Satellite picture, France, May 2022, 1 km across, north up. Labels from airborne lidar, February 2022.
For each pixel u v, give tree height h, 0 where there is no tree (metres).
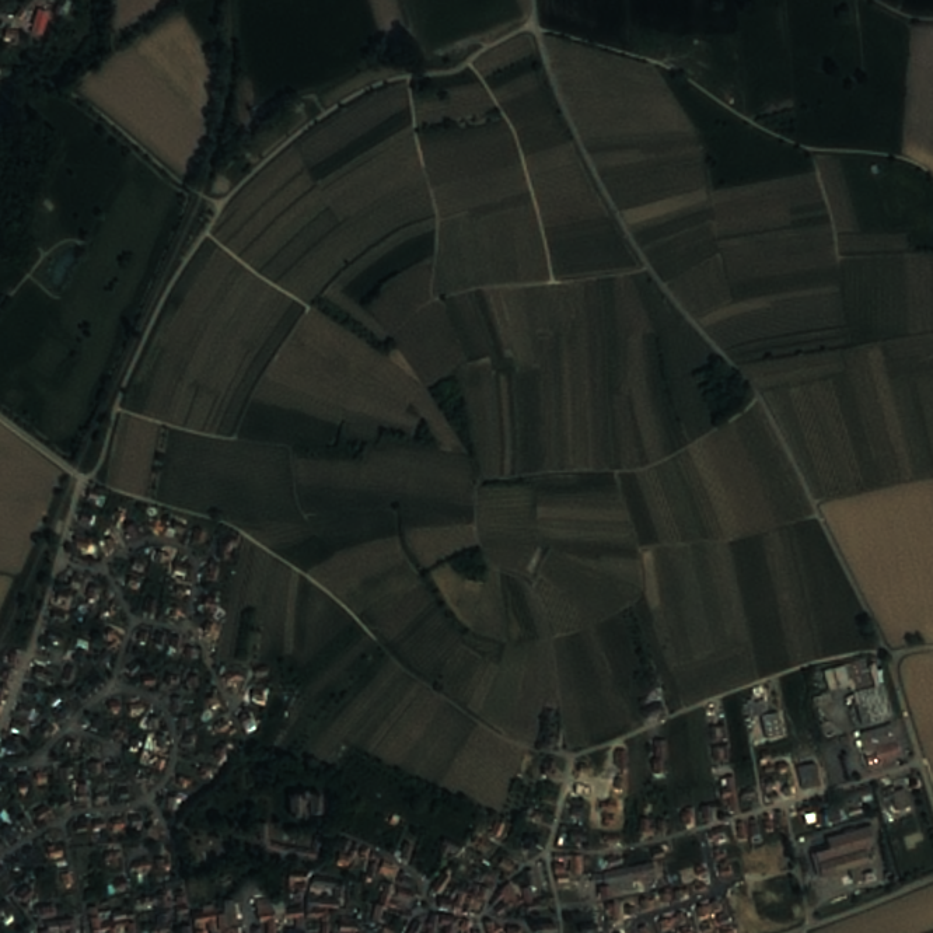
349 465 0
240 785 0
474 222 0
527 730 0
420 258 0
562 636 0
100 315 0
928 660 0
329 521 0
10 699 0
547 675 0
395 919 9
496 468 0
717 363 14
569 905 0
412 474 0
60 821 0
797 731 0
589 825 0
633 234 0
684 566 0
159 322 0
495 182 0
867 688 0
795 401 0
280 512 0
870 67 0
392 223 0
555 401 0
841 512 0
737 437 0
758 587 0
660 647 0
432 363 0
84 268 0
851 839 0
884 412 0
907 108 0
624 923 0
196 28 0
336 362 0
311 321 0
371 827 0
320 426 0
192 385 0
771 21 0
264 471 0
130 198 0
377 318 0
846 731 0
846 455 0
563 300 0
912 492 0
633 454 0
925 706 0
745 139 0
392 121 0
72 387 0
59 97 10
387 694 0
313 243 0
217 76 19
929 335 0
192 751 0
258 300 0
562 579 0
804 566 0
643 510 0
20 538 0
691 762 0
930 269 0
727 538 0
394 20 0
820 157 0
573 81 0
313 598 0
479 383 0
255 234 0
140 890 6
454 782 0
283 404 0
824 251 0
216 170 15
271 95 0
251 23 0
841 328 0
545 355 0
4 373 0
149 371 0
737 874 0
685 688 0
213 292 0
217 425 0
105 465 0
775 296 0
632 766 0
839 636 0
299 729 0
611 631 0
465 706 0
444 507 0
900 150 0
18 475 0
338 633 0
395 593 0
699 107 0
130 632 0
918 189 0
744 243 0
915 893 0
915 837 0
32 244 17
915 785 6
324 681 0
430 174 0
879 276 0
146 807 0
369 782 0
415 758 0
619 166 0
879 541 0
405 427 0
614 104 0
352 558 0
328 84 0
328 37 0
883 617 0
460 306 0
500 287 0
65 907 0
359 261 0
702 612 0
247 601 0
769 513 0
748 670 0
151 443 0
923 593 0
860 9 0
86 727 0
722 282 0
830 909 0
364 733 0
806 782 0
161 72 0
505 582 0
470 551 7
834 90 0
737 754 0
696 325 0
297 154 0
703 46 0
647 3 0
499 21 0
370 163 0
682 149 0
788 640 0
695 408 0
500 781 0
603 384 0
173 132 0
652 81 0
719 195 0
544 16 0
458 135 0
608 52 5
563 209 0
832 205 0
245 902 0
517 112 0
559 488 0
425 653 0
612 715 0
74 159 0
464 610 0
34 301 0
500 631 0
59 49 0
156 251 0
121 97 0
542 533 0
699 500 0
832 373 0
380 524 0
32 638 0
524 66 0
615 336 0
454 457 0
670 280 0
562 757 0
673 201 0
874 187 0
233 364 0
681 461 0
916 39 0
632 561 0
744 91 0
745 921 0
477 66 0
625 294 0
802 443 0
